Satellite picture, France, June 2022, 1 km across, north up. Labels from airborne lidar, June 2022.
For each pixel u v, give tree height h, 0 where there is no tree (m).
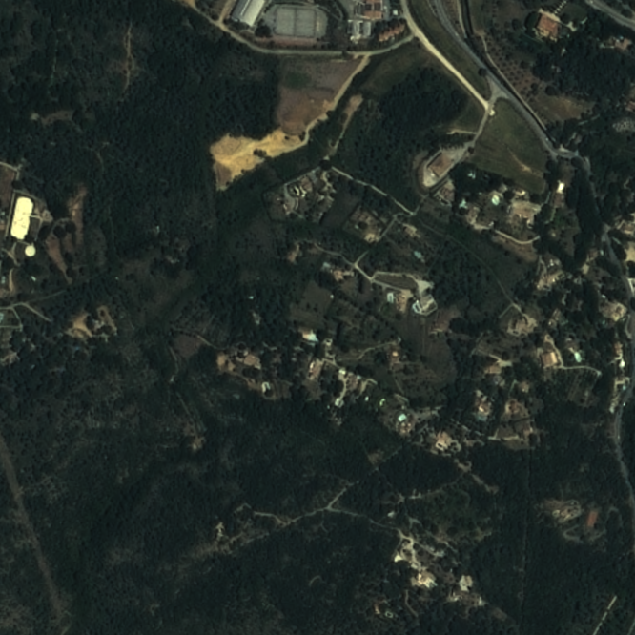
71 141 15
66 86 15
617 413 6
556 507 0
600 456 10
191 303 7
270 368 8
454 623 11
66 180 19
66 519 6
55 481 7
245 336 8
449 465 11
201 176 14
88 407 12
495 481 9
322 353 15
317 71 0
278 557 6
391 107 14
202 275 11
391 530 6
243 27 17
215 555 5
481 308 7
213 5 20
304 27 0
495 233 11
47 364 12
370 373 13
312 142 10
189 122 17
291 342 15
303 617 6
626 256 11
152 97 8
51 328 17
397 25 8
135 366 6
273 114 6
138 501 11
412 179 12
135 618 6
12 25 12
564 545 9
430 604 8
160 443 8
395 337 13
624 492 11
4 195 0
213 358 8
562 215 8
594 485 6
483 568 10
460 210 10
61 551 10
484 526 6
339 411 8
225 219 14
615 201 9
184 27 10
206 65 15
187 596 8
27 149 15
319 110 0
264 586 7
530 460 10
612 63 17
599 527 14
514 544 8
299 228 7
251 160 0
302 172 7
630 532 11
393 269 12
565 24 13
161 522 6
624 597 16
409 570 8
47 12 12
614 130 9
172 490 9
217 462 6
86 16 9
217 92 18
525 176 0
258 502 6
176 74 15
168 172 14
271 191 9
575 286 11
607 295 14
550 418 15
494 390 14
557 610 6
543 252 12
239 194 6
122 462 9
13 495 7
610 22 18
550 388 7
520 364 7
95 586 8
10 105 15
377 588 9
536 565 7
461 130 0
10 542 5
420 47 6
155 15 11
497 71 8
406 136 17
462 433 10
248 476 7
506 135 0
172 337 6
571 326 7
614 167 16
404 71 0
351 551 7
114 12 14
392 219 7
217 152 0
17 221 0
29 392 15
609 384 11
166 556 7
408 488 8
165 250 14
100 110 9
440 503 6
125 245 7
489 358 7
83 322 0
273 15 0
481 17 0
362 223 8
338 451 6
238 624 6
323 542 6
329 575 6
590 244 12
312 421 7
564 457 11
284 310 19
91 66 15
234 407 7
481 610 8
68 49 12
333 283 11
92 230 16
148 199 15
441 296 16
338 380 7
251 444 9
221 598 6
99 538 7
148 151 13
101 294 16
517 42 8
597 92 19
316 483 6
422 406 11
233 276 8
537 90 8
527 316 15
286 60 0
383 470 11
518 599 7
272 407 8
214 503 8
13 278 0
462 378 6
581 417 6
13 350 12
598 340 13
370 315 9
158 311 0
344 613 7
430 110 15
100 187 17
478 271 12
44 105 8
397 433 8
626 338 6
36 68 15
